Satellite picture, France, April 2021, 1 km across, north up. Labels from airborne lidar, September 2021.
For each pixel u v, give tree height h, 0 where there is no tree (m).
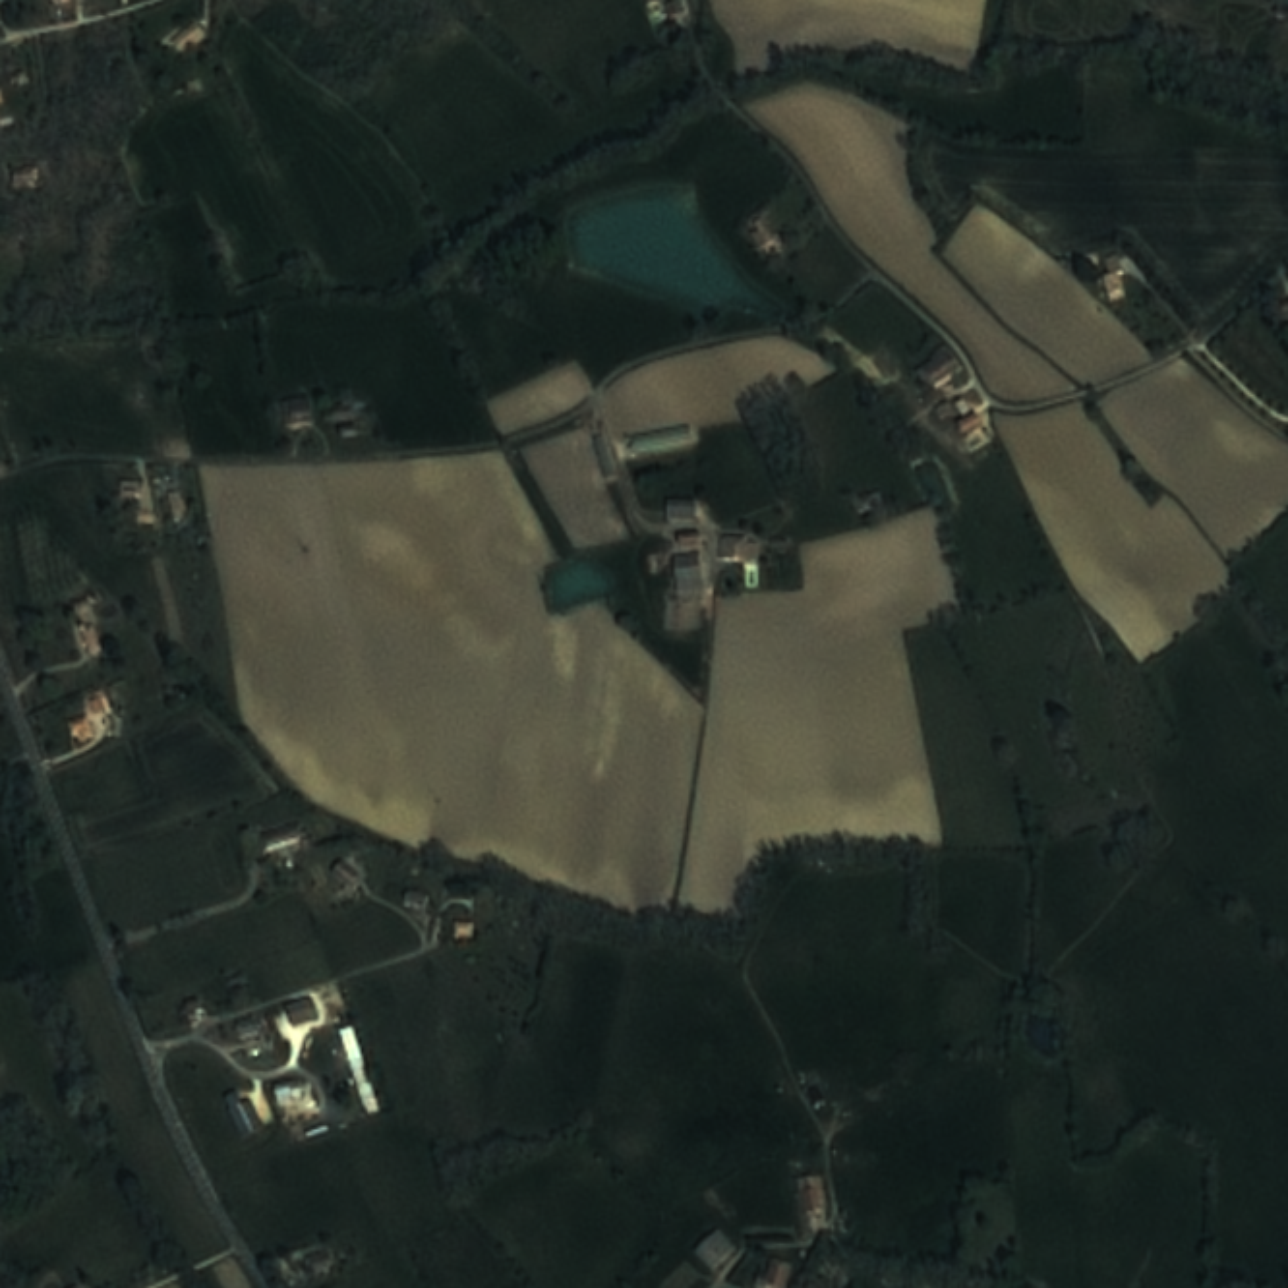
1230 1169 0
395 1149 0
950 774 0
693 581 0
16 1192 16
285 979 0
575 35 0
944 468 0
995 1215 0
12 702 0
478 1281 0
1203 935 0
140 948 0
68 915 0
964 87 21
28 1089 0
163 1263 13
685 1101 0
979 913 0
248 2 16
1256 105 19
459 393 0
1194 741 0
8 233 21
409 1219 0
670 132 19
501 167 0
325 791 0
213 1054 0
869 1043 0
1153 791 0
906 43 0
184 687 16
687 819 0
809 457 25
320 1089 0
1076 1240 0
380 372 0
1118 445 0
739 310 0
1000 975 0
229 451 0
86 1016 0
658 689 0
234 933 0
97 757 0
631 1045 0
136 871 0
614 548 0
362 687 0
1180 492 0
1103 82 0
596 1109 0
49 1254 0
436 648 0
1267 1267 0
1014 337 0
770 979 0
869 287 6
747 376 0
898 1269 19
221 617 0
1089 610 0
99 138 14
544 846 0
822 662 0
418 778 0
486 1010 0
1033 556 0
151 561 0
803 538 0
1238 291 0
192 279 0
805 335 15
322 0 14
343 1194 0
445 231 7
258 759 0
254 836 7
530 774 0
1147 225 0
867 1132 0
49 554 18
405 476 0
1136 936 0
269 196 0
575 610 0
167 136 0
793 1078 0
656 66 9
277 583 0
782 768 0
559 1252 0
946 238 6
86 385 0
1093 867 0
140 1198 20
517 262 29
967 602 6
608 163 20
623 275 0
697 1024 0
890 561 0
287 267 15
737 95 15
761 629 0
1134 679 0
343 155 0
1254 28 0
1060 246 0
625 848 0
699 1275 0
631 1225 0
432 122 0
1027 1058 0
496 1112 0
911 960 0
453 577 0
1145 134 0
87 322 17
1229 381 11
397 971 0
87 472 0
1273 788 0
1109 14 0
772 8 0
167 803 0
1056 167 0
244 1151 0
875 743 0
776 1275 0
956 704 0
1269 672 12
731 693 0
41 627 15
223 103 0
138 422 0
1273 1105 0
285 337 0
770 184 0
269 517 0
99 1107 31
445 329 18
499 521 0
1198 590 0
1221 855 0
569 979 0
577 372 0
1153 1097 0
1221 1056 0
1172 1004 0
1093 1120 0
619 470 0
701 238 0
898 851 12
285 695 0
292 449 9
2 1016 0
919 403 0
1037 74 18
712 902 0
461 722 0
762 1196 0
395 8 16
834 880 0
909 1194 0
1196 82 18
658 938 17
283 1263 16
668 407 0
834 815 0
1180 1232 0
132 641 0
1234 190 0
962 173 0
